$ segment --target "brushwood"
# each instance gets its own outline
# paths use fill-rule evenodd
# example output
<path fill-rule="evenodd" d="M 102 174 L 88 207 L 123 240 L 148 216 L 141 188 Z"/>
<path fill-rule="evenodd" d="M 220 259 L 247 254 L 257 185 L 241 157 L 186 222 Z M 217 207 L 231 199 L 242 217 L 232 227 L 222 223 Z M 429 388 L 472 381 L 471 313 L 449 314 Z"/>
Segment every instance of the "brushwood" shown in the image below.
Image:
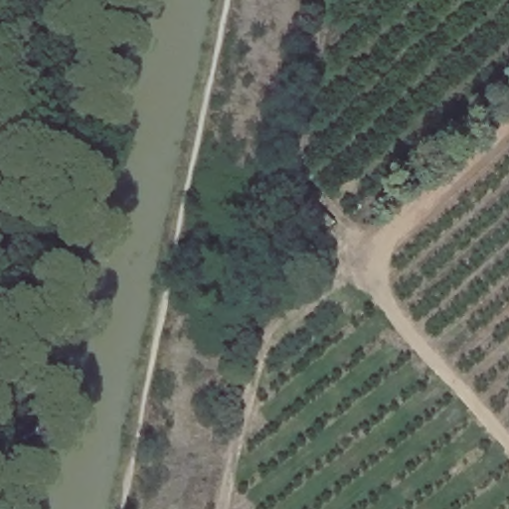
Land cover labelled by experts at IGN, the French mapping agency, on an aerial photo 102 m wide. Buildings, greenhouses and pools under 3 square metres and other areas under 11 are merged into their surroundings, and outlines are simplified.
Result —
<path fill-rule="evenodd" d="M 139 358 L 133 374 L 131 404 L 123 429 L 119 433 L 117 467 L 113 473 L 105 509 L 119 509 L 123 507 L 119 503 L 119 497 L 123 475 L 129 457 L 135 457 L 139 437 L 133 437 L 133 424 L 137 422 L 139 398 L 145 382 L 145 370 L 161 292 L 167 290 L 167 278 L 157 266 L 151 280 L 147 326 L 139 342 Z"/>
<path fill-rule="evenodd" d="M 179 145 L 179 179 L 171 191 L 169 221 L 165 223 L 159 237 L 157 264 L 161 260 L 171 258 L 167 247 L 173 241 L 181 239 L 187 191 L 183 183 L 201 111 L 203 89 L 211 68 L 211 56 L 219 28 L 219 16 L 223 10 L 223 0 L 211 0 L 207 16 L 207 34 L 201 42 L 197 80 L 193 82 L 193 93 L 187 113 L 187 129 Z"/>

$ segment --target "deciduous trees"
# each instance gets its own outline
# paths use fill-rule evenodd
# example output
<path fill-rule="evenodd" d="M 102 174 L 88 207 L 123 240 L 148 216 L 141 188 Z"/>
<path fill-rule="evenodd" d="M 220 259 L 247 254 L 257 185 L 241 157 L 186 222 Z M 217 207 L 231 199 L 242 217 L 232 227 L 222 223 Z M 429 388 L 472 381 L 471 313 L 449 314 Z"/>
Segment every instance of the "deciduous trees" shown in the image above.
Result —
<path fill-rule="evenodd" d="M 459 229 L 451 237 L 451 241 L 447 241 L 439 251 L 431 254 L 422 264 L 420 272 L 410 274 L 408 278 L 400 278 L 392 286 L 400 306 L 406 312 L 410 312 L 414 320 L 424 322 L 425 332 L 431 336 L 437 336 L 449 322 L 453 322 L 457 316 L 465 312 L 469 304 L 473 304 L 481 294 L 485 294 L 491 284 L 495 284 L 501 276 L 509 272 L 509 189 L 499 197 L 499 201 L 485 207 L 475 219 L 469 221 L 465 229 Z"/>
<path fill-rule="evenodd" d="M 463 382 L 477 392 L 477 396 L 493 410 L 499 422 L 509 429 L 509 318 L 497 324 L 495 332 L 487 330 L 485 324 L 497 312 L 501 312 L 505 304 L 509 304 L 509 286 L 503 286 L 501 294 L 497 294 L 495 300 L 491 300 L 481 310 L 473 312 L 467 326 L 451 342 L 447 342 L 443 354 L 445 362 L 459 372 Z"/>
<path fill-rule="evenodd" d="M 284 334 L 278 344 L 270 348 L 262 378 L 254 374 L 254 370 L 256 354 L 262 344 L 266 324 L 272 318 L 280 318 L 286 310 L 316 300 L 334 282 L 334 274 L 338 268 L 338 245 L 326 227 L 324 217 L 328 207 L 320 203 L 320 197 L 332 197 L 340 201 L 344 213 L 350 215 L 350 219 L 356 225 L 388 225 L 394 219 L 394 215 L 398 215 L 402 205 L 420 197 L 422 191 L 437 189 L 439 185 L 451 181 L 457 171 L 465 167 L 467 159 L 473 157 L 475 151 L 487 151 L 495 139 L 497 127 L 509 121 L 509 0 L 298 0 L 298 10 L 292 14 L 292 22 L 286 34 L 282 34 L 280 38 L 280 66 L 272 74 L 270 84 L 262 87 L 262 97 L 258 101 L 260 121 L 249 119 L 243 137 L 233 135 L 233 113 L 227 113 L 223 107 L 231 99 L 235 82 L 251 85 L 254 78 L 249 66 L 245 66 L 243 62 L 249 54 L 249 46 L 237 36 L 237 24 L 241 16 L 233 14 L 231 10 L 227 18 L 223 50 L 209 101 L 209 113 L 205 121 L 199 159 L 195 165 L 191 189 L 187 191 L 181 239 L 173 241 L 167 247 L 171 258 L 161 260 L 157 264 L 157 266 L 167 278 L 167 290 L 169 308 L 159 340 L 145 424 L 139 437 L 135 457 L 135 475 L 127 503 L 123 507 L 119 509 L 149 509 L 149 503 L 157 495 L 161 483 L 169 479 L 169 469 L 163 465 L 163 457 L 167 447 L 171 445 L 169 433 L 173 427 L 173 416 L 165 408 L 165 400 L 169 400 L 175 392 L 175 376 L 169 370 L 173 342 L 189 338 L 195 350 L 201 352 L 199 358 L 189 360 L 185 368 L 185 382 L 195 392 L 191 404 L 197 420 L 203 425 L 213 427 L 213 441 L 227 445 L 239 433 L 245 420 L 245 386 L 251 384 L 256 390 L 256 398 L 262 402 L 260 414 L 264 416 L 266 424 L 247 439 L 235 473 L 237 491 L 253 503 L 254 509 L 509 509 L 509 457 L 505 455 L 501 443 L 487 435 L 485 427 L 477 424 L 475 416 L 467 410 L 467 406 L 449 390 L 449 386 L 431 368 L 418 370 L 414 366 L 412 350 L 400 350 L 384 338 L 380 338 L 380 332 L 390 330 L 394 324 L 388 320 L 382 308 L 378 308 L 372 302 L 370 294 L 358 290 L 354 284 L 346 284 L 338 292 L 334 292 L 334 298 L 322 302 L 314 312 L 310 312 L 300 328 Z"/>
<path fill-rule="evenodd" d="M 485 179 L 465 189 L 459 195 L 457 203 L 445 209 L 435 223 L 424 225 L 412 237 L 412 241 L 404 243 L 392 254 L 392 266 L 404 268 L 416 254 L 441 235 L 443 229 L 447 229 L 463 213 L 467 213 L 489 189 L 495 189 L 501 183 L 501 179 L 509 173 L 509 153 L 499 163 L 495 163 L 493 171 L 487 173 Z"/>

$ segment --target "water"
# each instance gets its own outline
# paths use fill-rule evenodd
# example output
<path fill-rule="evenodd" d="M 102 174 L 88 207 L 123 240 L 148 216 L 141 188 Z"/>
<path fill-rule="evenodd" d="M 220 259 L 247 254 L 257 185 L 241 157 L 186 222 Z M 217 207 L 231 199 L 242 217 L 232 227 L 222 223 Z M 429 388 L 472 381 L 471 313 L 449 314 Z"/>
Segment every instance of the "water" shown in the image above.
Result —
<path fill-rule="evenodd" d="M 87 342 L 87 350 L 95 356 L 101 374 L 101 396 L 97 402 L 91 402 L 95 424 L 93 431 L 85 435 L 80 451 L 64 459 L 62 483 L 52 495 L 46 495 L 50 509 L 105 509 L 113 473 L 117 467 L 119 433 L 123 429 L 131 404 L 133 374 L 139 358 L 139 342 L 147 326 L 151 280 L 157 266 L 157 264 L 159 237 L 165 223 L 169 221 L 171 191 L 179 179 L 179 145 L 187 129 L 187 113 L 193 93 L 193 82 L 197 80 L 201 42 L 207 34 L 207 16 L 211 0 L 165 0 L 161 6 L 161 18 L 147 20 L 149 30 L 155 38 L 155 48 L 153 52 L 141 58 L 141 76 L 131 80 L 127 89 L 127 93 L 133 95 L 133 111 L 139 115 L 139 127 L 133 137 L 133 149 L 127 157 L 127 171 L 137 185 L 137 207 L 131 213 L 123 211 L 123 217 L 129 221 L 131 227 L 129 239 L 121 247 L 117 247 L 107 260 L 99 262 L 99 276 L 109 268 L 115 270 L 117 292 L 111 300 L 111 322 L 105 334 L 101 338 L 91 338 Z"/>

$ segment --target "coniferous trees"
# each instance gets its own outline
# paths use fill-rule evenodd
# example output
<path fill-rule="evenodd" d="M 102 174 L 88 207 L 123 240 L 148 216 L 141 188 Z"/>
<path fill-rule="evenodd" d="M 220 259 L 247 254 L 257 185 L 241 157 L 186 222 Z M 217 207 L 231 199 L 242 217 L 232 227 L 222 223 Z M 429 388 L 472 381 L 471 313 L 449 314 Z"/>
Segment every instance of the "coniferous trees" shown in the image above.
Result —
<path fill-rule="evenodd" d="M 95 424 L 91 402 L 97 402 L 101 396 L 101 374 L 95 356 L 87 350 L 87 342 L 91 338 L 101 338 L 105 334 L 111 322 L 111 300 L 117 292 L 115 270 L 109 268 L 99 276 L 99 262 L 107 260 L 117 247 L 121 247 L 129 239 L 131 227 L 129 221 L 123 217 L 123 211 L 131 213 L 137 207 L 137 185 L 127 171 L 127 157 L 133 149 L 133 137 L 139 127 L 139 115 L 133 111 L 133 95 L 127 93 L 127 89 L 131 80 L 141 76 L 141 58 L 153 52 L 155 48 L 155 38 L 149 30 L 147 20 L 161 18 L 161 6 L 165 0 L 0 0 L 0 509 L 50 509 L 46 495 L 52 495 L 62 483 L 64 459 L 80 451 L 85 435 L 93 431 Z"/>

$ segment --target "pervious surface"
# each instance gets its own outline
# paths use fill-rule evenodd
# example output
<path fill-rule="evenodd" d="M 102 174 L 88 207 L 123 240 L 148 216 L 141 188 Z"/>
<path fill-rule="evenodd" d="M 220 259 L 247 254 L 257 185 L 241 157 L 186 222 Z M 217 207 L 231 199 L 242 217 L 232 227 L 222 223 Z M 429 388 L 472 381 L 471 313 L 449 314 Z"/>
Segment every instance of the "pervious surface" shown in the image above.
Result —
<path fill-rule="evenodd" d="M 227 18 L 231 10 L 231 0 L 223 0 L 223 10 L 219 16 L 219 28 L 211 56 L 211 68 L 203 89 L 201 111 L 183 183 L 187 191 L 191 189 L 195 165 L 199 159 L 205 121 L 209 113 L 209 101 L 223 50 Z"/>
<path fill-rule="evenodd" d="M 159 340 L 169 308 L 167 290 L 161 292 L 145 370 L 145 382 L 139 398 L 137 422 L 133 424 L 133 437 L 139 437 L 145 424 Z"/>
<path fill-rule="evenodd" d="M 358 290 L 370 294 L 372 302 L 378 308 L 382 308 L 388 320 L 394 324 L 390 330 L 380 332 L 380 338 L 384 338 L 400 350 L 412 350 L 414 366 L 418 370 L 431 368 L 449 386 L 449 390 L 467 406 L 467 410 L 475 416 L 477 424 L 485 427 L 487 435 L 501 443 L 505 455 L 509 457 L 509 429 L 499 422 L 493 410 L 477 396 L 477 392 L 463 382 L 459 372 L 445 362 L 443 354 L 431 348 L 431 336 L 425 332 L 424 322 L 414 320 L 410 312 L 406 312 L 400 306 L 392 286 L 392 266 L 392 254 L 404 243 L 412 241 L 412 237 L 424 225 L 435 223 L 445 209 L 457 203 L 459 195 L 465 189 L 485 179 L 487 173 L 493 171 L 495 163 L 499 163 L 509 153 L 509 121 L 497 127 L 495 139 L 487 151 L 475 151 L 473 157 L 467 159 L 465 167 L 457 171 L 451 181 L 439 185 L 437 189 L 422 191 L 420 197 L 402 205 L 398 215 L 394 215 L 394 219 L 388 225 L 356 225 L 350 219 L 350 215 L 344 213 L 340 201 L 332 197 L 320 197 L 320 203 L 328 207 L 324 217 L 326 227 L 338 245 L 338 268 L 334 274 L 334 282 L 316 300 L 286 310 L 280 318 L 272 318 L 266 324 L 262 344 L 256 354 L 254 370 L 254 374 L 262 378 L 270 348 L 278 344 L 284 334 L 300 328 L 310 312 L 314 312 L 322 302 L 334 298 L 334 292 L 338 292 L 346 284 L 354 284 Z"/>
<path fill-rule="evenodd" d="M 129 457 L 123 475 L 119 497 L 119 503 L 123 507 L 127 503 L 135 475 L 135 457 Z"/>
<path fill-rule="evenodd" d="M 256 398 L 256 390 L 251 384 L 245 386 L 245 420 L 239 433 L 227 445 L 225 469 L 219 483 L 215 509 L 254 509 L 253 503 L 237 491 L 235 473 L 247 439 L 266 424 L 264 416 L 260 414 L 262 402 Z"/>

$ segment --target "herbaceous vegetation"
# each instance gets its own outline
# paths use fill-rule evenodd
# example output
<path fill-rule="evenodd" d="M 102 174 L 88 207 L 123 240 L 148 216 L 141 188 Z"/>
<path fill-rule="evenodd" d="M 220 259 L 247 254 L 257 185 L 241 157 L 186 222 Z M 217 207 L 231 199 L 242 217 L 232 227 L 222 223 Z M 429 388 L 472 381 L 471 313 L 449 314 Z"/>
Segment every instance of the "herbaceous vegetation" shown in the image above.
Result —
<path fill-rule="evenodd" d="M 495 332 L 497 324 L 509 318 L 509 304 L 505 304 L 501 312 L 497 312 L 485 324 L 487 330 Z"/>
<path fill-rule="evenodd" d="M 400 278 L 408 278 L 410 274 L 420 272 L 422 264 L 431 254 L 439 251 L 447 241 L 451 241 L 451 237 L 459 229 L 465 229 L 469 221 L 475 219 L 485 207 L 499 201 L 499 197 L 509 189 L 509 173 L 501 179 L 501 183 L 495 189 L 489 189 L 467 213 L 463 213 L 447 229 L 443 229 L 441 235 L 416 254 L 404 268 L 392 266 L 392 286 Z"/>
<path fill-rule="evenodd" d="M 481 294 L 473 304 L 469 304 L 465 312 L 457 316 L 453 322 L 449 322 L 437 336 L 431 336 L 431 348 L 443 354 L 447 342 L 451 342 L 467 326 L 473 312 L 481 310 L 491 300 L 495 300 L 497 294 L 501 294 L 503 286 L 509 286 L 509 272 L 501 276 L 495 284 L 491 284 L 485 294 Z"/>
<path fill-rule="evenodd" d="M 262 87 L 270 84 L 272 74 L 280 66 L 280 38 L 282 34 L 286 34 L 292 22 L 292 14 L 298 10 L 298 0 L 231 0 L 231 10 L 233 14 L 241 16 L 237 24 L 237 36 L 249 46 L 249 54 L 243 62 L 245 66 L 249 66 L 254 78 L 251 85 L 235 82 L 231 99 L 223 107 L 227 113 L 233 113 L 233 135 L 243 137 L 249 119 L 260 121 L 258 101 L 262 97 Z"/>
<path fill-rule="evenodd" d="M 149 503 L 149 509 L 215 509 L 219 483 L 225 469 L 227 445 L 213 441 L 213 427 L 203 425 L 197 420 L 191 404 L 195 392 L 185 382 L 185 368 L 189 360 L 199 358 L 201 352 L 195 350 L 189 338 L 173 342 L 169 370 L 175 376 L 175 392 L 169 400 L 165 400 L 165 408 L 173 416 L 173 427 L 169 433 L 171 445 L 167 447 L 163 457 L 163 465 L 169 469 L 169 479 L 161 483 L 157 495 Z"/>

